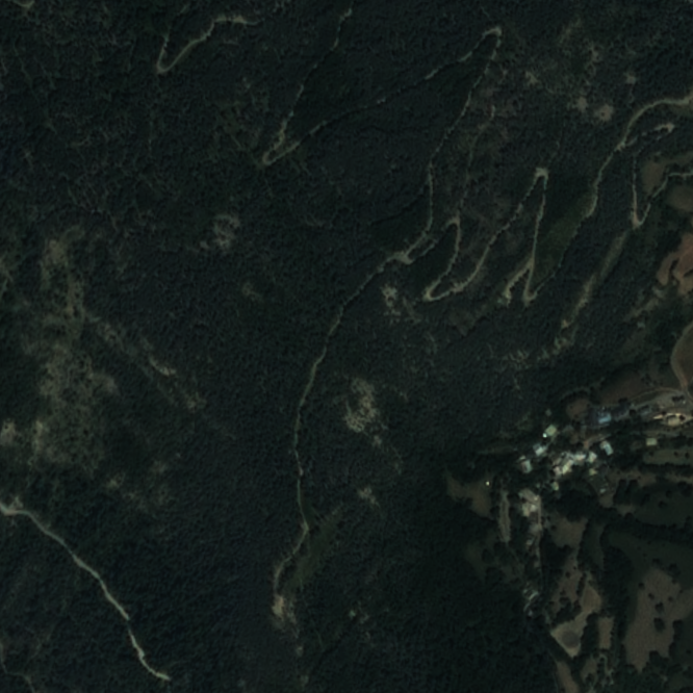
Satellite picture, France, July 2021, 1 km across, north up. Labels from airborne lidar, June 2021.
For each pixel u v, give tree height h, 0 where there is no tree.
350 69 10
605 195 10
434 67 10
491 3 9
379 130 16
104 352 7
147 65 14
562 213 7
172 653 13
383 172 13
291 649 6
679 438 7
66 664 14
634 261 9
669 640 0
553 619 8
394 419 13
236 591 11
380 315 7
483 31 9
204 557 10
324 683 12
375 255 10
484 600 13
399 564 11
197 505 9
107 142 17
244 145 12
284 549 13
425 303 7
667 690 8
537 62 8
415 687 16
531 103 9
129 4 18
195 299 15
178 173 12
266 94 9
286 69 16
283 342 7
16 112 7
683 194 0
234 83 15
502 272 9
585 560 10
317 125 12
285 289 9
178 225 8
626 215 7
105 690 8
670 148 12
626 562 17
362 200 11
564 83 11
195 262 13
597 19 13
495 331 9
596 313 9
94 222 6
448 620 16
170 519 6
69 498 17
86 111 9
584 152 12
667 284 0
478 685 7
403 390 10
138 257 9
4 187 12
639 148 11
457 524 22
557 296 11
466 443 12
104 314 10
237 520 11
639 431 7
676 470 11
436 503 16
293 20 16
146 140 8
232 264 17
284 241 9
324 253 15
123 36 12
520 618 13
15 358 9
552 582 7
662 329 8
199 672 20
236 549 9
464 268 12
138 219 7
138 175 12
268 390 6
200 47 11
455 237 9
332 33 12
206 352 8
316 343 10
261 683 10
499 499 10
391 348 10
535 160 10
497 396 6
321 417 13
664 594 0
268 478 13
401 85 12
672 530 9
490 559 10
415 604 11
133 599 11
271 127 17
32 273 7
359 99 14
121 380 10
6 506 12
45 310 6
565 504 18
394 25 10
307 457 9
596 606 0
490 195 11
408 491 11
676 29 13
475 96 10
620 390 0
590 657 12
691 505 0
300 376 7
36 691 8
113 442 6
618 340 10
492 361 8
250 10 12
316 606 9
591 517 13
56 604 7
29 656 19
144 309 6
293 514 13
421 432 13
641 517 0
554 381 18
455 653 15
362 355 8
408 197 14
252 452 12
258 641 10
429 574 12
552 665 11
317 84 13
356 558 14
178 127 19
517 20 8
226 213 6
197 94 12
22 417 7
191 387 7
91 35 17
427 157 12
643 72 12
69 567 9
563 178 10
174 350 9
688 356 0
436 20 19
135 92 9
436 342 6
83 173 9
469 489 0
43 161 9
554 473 12
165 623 14
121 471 9
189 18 15
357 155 14
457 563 13
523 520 8
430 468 13
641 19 15
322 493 14
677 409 0
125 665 15
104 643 14
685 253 0
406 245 7
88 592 6
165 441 6
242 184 11
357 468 11
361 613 7
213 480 11
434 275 9
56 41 7
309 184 11
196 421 9
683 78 7
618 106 7
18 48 10
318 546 0
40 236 11
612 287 12
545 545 12
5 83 8
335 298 13
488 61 10
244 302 7
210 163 12
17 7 10
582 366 10
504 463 7
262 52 6
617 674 6
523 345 8
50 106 8
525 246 6
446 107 8
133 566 10
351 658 14
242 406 7
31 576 10
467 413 8
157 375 6
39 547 8
